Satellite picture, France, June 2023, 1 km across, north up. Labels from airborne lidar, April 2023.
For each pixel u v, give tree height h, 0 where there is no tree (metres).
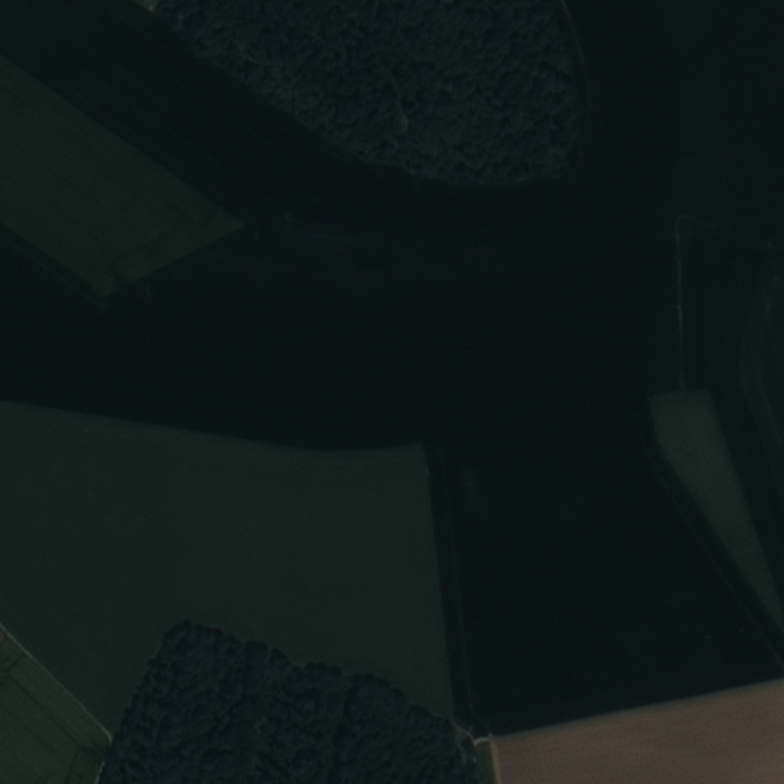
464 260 0
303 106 10
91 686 0
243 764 28
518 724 0
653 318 0
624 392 0
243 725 31
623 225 0
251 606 0
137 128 0
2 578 0
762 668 0
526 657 0
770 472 0
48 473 0
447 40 27
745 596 0
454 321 0
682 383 0
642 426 0
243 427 0
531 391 0
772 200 0
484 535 0
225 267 0
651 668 0
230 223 0
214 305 0
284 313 0
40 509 0
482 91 24
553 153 21
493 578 0
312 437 0
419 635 0
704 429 0
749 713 0
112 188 0
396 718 22
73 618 0
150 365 0
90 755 0
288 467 0
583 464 0
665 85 0
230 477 0
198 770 25
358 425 0
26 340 0
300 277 0
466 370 0
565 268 0
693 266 0
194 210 0
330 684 20
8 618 0
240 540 0
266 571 0
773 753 0
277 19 28
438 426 0
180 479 0
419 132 20
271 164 0
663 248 0
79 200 0
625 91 0
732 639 0
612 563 0
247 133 0
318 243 0
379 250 0
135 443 0
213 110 0
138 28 0
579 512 0
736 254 0
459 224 0
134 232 0
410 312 0
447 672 0
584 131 0
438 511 0
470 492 0
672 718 0
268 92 16
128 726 18
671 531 0
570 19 0
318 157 0
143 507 0
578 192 0
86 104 0
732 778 0
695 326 0
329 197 0
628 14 0
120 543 0
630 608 0
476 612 0
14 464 0
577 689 0
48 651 0
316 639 0
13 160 0
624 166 0
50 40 0
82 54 0
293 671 21
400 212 0
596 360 0
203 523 0
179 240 0
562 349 0
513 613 0
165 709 17
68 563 0
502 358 0
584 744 0
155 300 0
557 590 0
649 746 0
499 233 0
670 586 0
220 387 0
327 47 20
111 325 0
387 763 23
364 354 0
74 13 0
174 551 0
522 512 0
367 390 0
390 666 0
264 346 0
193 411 0
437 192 0
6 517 0
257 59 17
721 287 0
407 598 0
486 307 0
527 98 28
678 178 0
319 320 0
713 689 0
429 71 20
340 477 0
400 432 0
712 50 0
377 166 0
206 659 25
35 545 0
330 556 0
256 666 26
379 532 0
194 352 0
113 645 0
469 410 0
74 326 0
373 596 0
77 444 0
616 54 0
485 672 0
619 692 0
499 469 0
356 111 21
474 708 0
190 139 0
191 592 0
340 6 27
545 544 0
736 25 0
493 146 27
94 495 0
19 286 0
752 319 0
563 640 0
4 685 0
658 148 0
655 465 0
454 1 26
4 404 0
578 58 0
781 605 0
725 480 0
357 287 0
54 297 0
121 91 0
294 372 0
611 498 0
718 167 0
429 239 0
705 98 0
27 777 0
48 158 0
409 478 0
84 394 0
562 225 0
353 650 0
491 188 0
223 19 15
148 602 0
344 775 27
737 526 0
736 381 0
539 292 0
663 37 0
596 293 0
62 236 0
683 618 0
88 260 0
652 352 0
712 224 0
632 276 0
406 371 0
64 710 0
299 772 24
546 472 0
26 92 0
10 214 0
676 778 0
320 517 0
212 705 21
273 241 0
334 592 0
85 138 0
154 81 0
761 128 0
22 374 0
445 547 0
